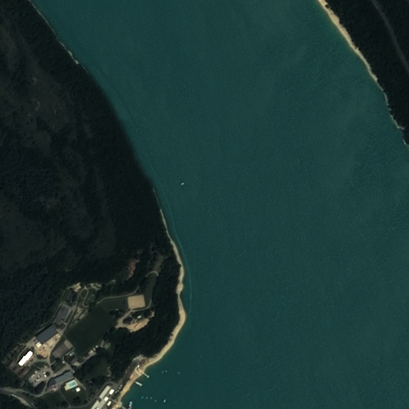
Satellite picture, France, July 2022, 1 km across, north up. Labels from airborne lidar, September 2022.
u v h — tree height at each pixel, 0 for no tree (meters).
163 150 0
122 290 17
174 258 19
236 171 0
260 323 0
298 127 0
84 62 0
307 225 0
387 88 15
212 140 0
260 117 0
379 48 13
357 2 14
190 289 0
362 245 0
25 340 13
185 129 0
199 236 0
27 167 22
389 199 0
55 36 12
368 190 0
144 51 0
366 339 0
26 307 25
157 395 0
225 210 0
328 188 0
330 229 0
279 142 0
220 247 0
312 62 0
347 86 0
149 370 0
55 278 16
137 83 0
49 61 19
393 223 0
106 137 16
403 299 0
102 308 0
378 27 12
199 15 0
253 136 0
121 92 0
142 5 0
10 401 6
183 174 0
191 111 0
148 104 0
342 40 0
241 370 0
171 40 0
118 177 20
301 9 0
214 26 0
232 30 0
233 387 0
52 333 0
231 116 0
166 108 0
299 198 0
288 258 0
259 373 0
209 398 0
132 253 17
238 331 0
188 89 0
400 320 0
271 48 0
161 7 0
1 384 14
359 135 0
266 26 0
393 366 0
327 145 0
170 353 0
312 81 0
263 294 0
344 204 0
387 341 0
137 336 17
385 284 0
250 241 0
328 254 0
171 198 0
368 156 0
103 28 0
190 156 0
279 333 0
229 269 0
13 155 19
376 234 0
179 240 0
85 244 14
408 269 0
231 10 0
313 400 0
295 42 0
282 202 0
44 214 13
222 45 0
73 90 15
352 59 0
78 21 0
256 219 0
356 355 0
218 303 0
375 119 0
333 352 0
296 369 0
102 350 18
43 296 27
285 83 0
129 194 18
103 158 19
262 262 0
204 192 0
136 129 0
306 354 0
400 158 0
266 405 0
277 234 0
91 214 10
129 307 0
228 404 0
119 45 0
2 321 23
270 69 0
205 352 0
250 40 0
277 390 0
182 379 0
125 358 16
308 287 0
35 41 21
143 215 17
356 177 0
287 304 0
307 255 0
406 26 15
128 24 0
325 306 0
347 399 0
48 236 6
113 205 16
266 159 0
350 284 0
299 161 0
